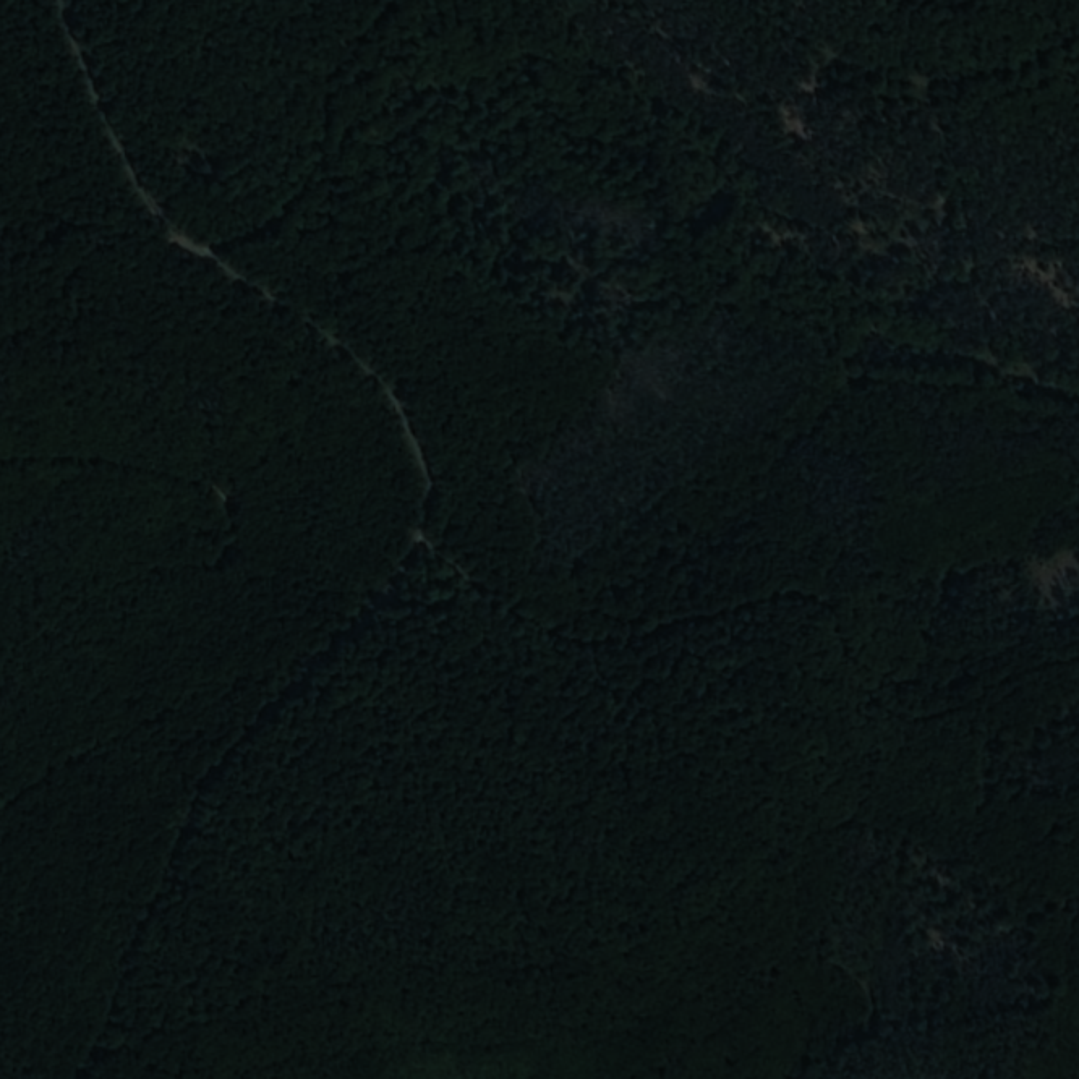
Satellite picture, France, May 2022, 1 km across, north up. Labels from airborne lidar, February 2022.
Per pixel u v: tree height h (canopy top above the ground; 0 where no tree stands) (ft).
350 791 94
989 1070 72
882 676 73
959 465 58
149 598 69
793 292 104
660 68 25
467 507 71
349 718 87
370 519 67
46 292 61
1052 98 89
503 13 75
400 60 102
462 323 69
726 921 84
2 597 64
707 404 62
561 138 116
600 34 22
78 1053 73
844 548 60
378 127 95
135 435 77
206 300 70
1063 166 94
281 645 85
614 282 94
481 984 83
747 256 105
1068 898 47
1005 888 33
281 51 82
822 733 104
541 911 75
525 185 71
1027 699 84
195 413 67
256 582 84
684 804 76
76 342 74
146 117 80
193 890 78
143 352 72
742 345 82
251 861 82
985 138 100
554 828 77
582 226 66
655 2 97
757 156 32
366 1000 80
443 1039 55
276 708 84
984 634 102
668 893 84
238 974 72
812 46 81
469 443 62
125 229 74
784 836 89
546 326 83
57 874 75
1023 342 97
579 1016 75
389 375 64
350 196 86
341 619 84
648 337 99
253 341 75
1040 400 106
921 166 33
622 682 98
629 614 83
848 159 90
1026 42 88
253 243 73
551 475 81
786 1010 81
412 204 79
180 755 86
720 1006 80
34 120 70
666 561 83
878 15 82
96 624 76
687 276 81
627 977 83
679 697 89
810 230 86
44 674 60
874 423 73
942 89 91
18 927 73
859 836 80
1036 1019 60
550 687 88
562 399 74
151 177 77
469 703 99
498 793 77
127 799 80
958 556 73
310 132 87
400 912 56
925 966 40
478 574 90
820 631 93
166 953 71
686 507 93
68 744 85
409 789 80
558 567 101
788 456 101
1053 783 52
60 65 91
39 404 77
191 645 74
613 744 89
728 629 104
